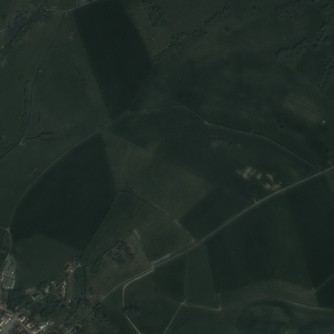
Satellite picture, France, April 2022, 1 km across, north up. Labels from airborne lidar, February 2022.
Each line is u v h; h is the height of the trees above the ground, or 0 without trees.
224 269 0
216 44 0
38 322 0
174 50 14
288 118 0
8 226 0
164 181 0
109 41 0
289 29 0
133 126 0
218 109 0
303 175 0
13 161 0
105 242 0
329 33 0
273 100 0
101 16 0
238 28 0
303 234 0
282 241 0
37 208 0
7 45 6
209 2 0
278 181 0
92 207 0
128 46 0
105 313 0
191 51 0
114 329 7
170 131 0
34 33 0
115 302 0
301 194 0
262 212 0
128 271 0
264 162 0
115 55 0
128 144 0
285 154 0
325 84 11
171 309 0
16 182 0
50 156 0
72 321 0
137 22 0
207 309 0
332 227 0
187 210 0
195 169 0
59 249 0
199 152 0
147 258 0
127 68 0
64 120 0
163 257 0
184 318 0
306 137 0
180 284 0
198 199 0
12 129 0
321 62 0
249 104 0
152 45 0
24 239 0
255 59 0
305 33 0
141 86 0
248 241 0
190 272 0
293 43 0
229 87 0
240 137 0
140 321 0
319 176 0
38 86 0
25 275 0
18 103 0
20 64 0
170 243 0
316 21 0
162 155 0
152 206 0
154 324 0
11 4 0
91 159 0
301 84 0
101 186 0
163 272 0
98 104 0
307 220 0
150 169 0
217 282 0
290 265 0
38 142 0
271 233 0
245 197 0
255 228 0
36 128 0
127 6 0
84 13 0
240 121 0
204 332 0
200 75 0
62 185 0
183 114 0
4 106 0
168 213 0
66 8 0
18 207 0
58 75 0
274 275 0
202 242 0
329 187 0
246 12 0
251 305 0
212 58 0
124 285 0
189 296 0
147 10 12
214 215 0
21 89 0
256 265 0
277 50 0
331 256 0
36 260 0
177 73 0
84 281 6
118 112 0
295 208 0
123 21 0
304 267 0
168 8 0
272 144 0
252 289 0
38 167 0
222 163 0
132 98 0
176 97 0
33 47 0
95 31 0
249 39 0
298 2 15
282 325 0
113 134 0
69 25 0
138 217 0
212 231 0
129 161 0
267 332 0
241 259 0
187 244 0
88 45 0
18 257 0
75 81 0
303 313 0
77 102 0
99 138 0
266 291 0
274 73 0
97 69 0
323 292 0
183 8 0
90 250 0
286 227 0
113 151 0
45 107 0
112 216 0
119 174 0
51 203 0
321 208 0
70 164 0
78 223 0
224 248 0
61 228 0
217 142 20
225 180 0
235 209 0
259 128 0
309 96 0
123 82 0
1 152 0
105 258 0
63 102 0
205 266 0
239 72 0
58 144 0
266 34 0
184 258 0
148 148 0
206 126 0
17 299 9
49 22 0
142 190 0
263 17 0
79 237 0
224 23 0
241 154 0
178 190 0
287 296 0
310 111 0
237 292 0
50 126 0
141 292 0
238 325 0
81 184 0
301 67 0
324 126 0
